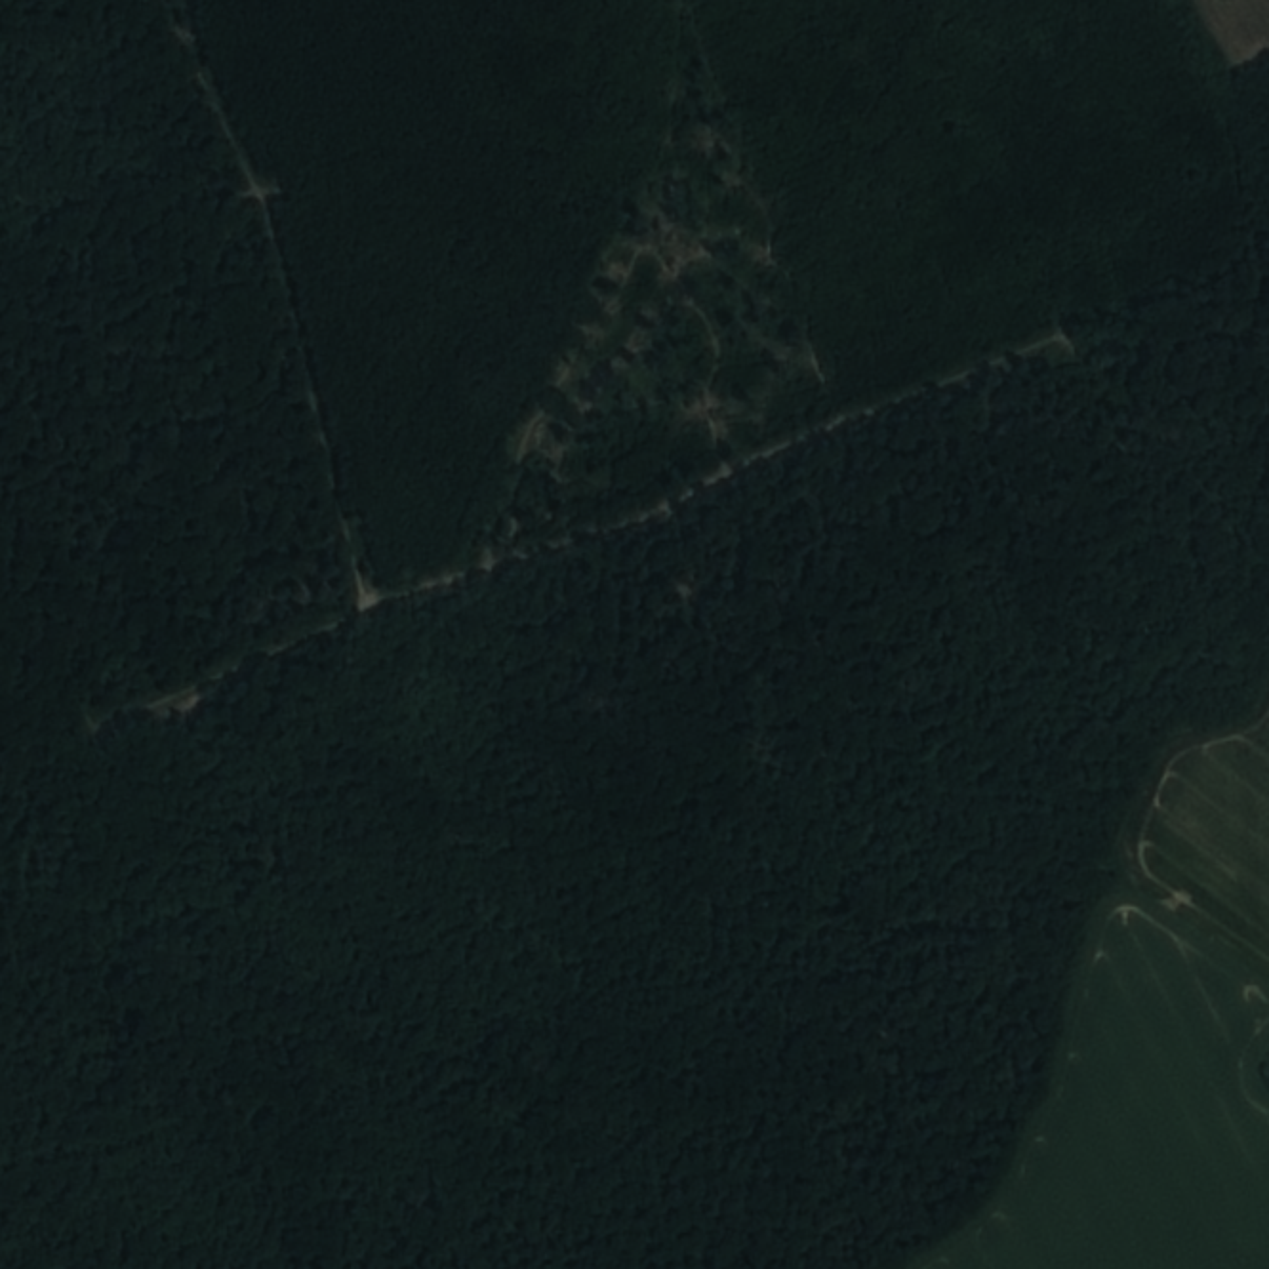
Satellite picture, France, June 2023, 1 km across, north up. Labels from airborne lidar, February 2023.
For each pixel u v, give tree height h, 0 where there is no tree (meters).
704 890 28
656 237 28
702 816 25
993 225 6
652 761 32
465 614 24
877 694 24
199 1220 23
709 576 27
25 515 31
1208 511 27
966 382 0
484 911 20
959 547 29
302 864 28
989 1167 24
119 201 29
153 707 0
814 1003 25
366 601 0
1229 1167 0
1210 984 0
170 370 30
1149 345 26
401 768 22
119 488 34
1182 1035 0
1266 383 27
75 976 28
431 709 21
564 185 18
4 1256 23
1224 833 0
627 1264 28
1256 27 0
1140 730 26
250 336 32
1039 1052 25
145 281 30
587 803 28
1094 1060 0
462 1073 26
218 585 31
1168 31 10
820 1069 31
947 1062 34
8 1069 23
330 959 17
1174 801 0
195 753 25
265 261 31
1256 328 29
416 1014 28
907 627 23
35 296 25
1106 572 26
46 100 24
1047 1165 0
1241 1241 0
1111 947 0
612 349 0
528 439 0
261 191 0
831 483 30
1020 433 33
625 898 23
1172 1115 0
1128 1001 0
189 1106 24
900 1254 23
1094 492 28
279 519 30
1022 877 29
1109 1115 0
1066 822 28
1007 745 25
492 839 22
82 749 26
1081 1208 0
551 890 22
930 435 29
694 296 30
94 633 35
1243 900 0
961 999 31
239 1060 26
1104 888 15
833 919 30
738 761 26
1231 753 0
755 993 26
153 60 30
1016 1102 27
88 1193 22
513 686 24
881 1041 34
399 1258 33
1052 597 25
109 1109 27
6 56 22
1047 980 28
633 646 25
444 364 19
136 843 25
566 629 25
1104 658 25
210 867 22
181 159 26
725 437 0
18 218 26
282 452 31
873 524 30
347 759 26
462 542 19
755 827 26
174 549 34
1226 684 25
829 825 23
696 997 27
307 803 23
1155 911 0
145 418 35
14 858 26
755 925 29
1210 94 13
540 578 23
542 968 22
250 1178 24
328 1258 30
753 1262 31
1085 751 28
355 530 0
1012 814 24
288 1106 24
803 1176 30
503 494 22
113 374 31
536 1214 27
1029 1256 0
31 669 35
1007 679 29
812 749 25
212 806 27
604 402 30
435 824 23
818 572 31
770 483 20
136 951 28
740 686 28
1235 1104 0
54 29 28
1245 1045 0
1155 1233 0
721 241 0
